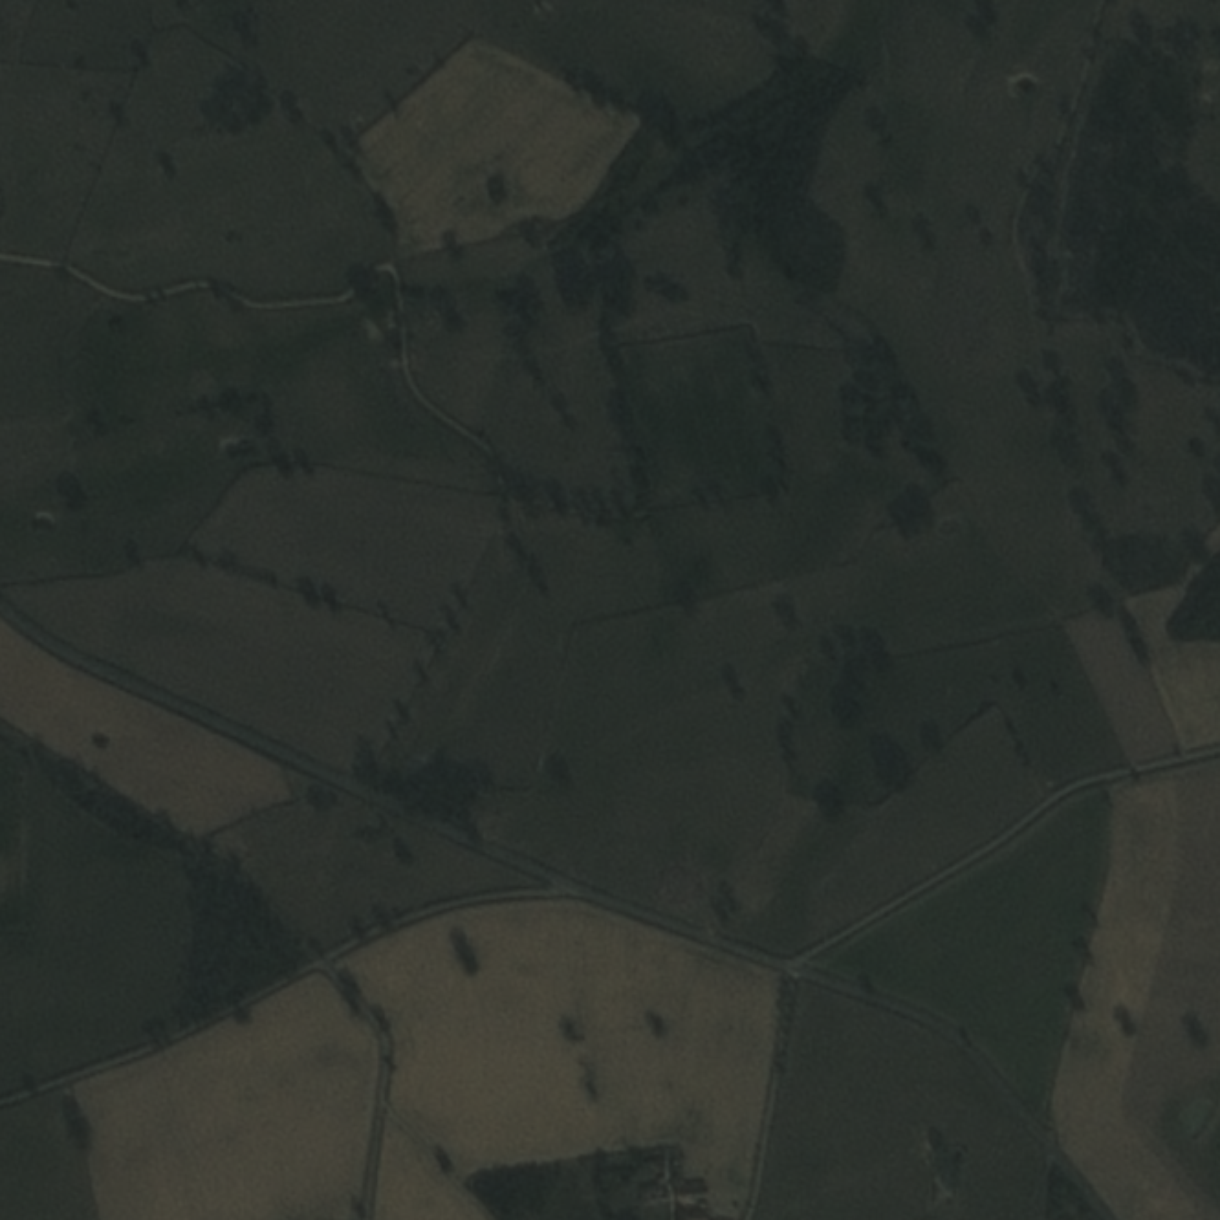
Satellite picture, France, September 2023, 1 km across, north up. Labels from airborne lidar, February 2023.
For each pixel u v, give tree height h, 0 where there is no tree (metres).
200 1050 0
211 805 0
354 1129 0
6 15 0
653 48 0
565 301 14
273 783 0
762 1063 0
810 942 0
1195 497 0
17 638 0
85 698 0
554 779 12
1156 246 0
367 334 0
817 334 0
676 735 0
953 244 0
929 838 0
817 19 0
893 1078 0
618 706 0
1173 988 0
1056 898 0
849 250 0
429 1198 0
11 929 0
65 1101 0
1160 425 0
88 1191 0
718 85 0
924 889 0
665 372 0
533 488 19
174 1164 0
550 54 0
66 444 0
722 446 0
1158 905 0
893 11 0
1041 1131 0
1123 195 0
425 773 8
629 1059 0
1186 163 0
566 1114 0
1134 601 0
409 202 0
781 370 0
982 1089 0
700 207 0
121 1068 0
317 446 0
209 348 0
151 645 0
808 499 0
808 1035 0
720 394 0
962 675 0
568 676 0
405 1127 0
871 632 0
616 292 19
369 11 0
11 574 0
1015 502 0
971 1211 0
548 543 0
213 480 0
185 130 0
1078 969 0
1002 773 0
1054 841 0
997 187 0
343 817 0
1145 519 0
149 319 0
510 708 0
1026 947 0
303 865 0
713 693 0
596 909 0
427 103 0
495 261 0
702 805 0
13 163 0
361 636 0
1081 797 0
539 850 0
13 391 0
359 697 0
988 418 0
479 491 0
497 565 0
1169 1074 0
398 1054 0
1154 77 0
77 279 0
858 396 15
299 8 0
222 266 0
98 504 0
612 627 0
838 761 0
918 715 0
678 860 0
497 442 0
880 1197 0
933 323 0
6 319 0
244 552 0
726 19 0
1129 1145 0
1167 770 0
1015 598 0
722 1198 0
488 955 0
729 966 0
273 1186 0
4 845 0
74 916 0
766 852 0
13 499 0
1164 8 0
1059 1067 0
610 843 0
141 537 0
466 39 0
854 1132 0
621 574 0
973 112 0
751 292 0
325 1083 0
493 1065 0
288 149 0
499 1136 0
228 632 0
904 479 0
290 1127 0
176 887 0
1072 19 0
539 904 0
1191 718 0
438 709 0
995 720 0
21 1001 0
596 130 0
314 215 0
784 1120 0
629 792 0
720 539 0
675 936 0
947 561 0
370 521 0
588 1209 0
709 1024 0
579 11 0
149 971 0
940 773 0
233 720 0
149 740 0
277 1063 0
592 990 0
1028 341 0
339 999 0
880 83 0
